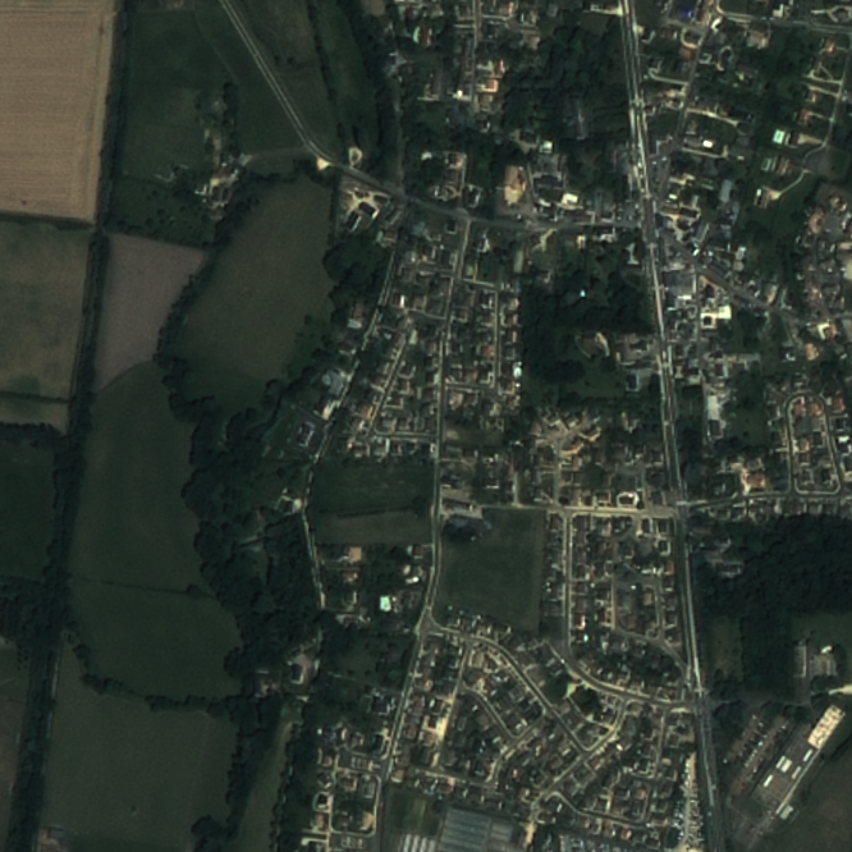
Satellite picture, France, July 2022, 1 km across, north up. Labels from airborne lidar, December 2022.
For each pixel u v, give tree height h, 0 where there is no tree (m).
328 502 0
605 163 8
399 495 0
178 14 0
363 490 0
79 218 0
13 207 0
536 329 18
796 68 11
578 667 0
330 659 15
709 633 14
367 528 0
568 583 0
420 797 0
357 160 0
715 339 7
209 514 22
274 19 0
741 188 13
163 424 0
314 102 0
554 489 0
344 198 0
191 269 0
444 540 6
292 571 25
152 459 0
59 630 16
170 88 0
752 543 15
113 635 0
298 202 0
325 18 0
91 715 0
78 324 0
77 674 0
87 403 12
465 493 0
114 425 0
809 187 0
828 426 0
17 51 0
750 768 0
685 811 0
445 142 0
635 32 0
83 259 0
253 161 0
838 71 13
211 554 30
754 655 14
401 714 0
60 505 14
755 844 0
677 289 0
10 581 8
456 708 0
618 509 0
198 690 0
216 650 0
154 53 0
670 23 0
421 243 7
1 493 0
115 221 12
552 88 15
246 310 0
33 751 18
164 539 0
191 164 0
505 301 7
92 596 0
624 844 0
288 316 0
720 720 17
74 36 0
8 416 0
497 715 0
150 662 0
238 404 0
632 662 13
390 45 10
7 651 0
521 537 0
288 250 0
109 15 0
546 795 0
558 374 20
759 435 0
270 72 0
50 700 11
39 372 0
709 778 0
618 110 6
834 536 22
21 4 0
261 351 0
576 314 17
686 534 0
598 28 0
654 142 0
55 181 0
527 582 0
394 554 10
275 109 0
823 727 0
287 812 13
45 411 0
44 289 0
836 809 0
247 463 19
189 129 0
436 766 0
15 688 0
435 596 0
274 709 21
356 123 0
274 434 0
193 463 12
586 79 12
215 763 0
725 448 18
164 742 0
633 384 0
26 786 12
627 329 14
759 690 12
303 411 0
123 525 0
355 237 10
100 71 0
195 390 0
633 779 0
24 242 0
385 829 0
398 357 0
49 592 14
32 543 0
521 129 10
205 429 19
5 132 0
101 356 0
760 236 12
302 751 13
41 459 0
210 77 0
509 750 0
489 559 0
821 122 7
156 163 0
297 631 15
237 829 6
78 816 0
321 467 7
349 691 0
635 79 0
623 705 0
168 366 19
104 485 0
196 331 0
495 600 0
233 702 18
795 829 0
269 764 0
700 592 15
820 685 15
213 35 0
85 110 0
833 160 0
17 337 0
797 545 22
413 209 9
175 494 0
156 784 0
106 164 9
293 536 8
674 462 0
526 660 0
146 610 0
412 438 0
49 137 0
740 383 7
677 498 0
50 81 0
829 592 15
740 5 0
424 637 0
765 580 23
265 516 12
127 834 0
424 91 0
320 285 0
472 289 5
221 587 20
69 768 0
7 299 0
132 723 0
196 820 0
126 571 0
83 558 0
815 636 10
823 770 0
